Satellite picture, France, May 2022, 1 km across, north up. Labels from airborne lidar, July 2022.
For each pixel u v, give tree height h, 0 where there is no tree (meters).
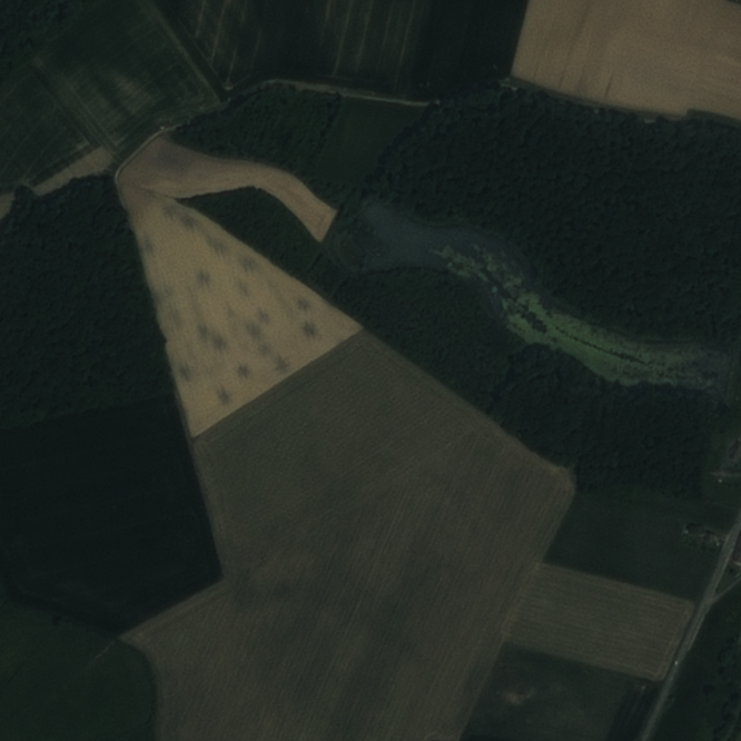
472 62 0
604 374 0
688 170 29
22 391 27
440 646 0
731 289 22
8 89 0
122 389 22
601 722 0
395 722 0
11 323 28
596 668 0
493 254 0
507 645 0
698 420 28
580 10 0
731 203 28
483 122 28
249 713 0
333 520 0
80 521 0
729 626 0
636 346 0
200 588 0
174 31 0
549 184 27
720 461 0
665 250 30
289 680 0
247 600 0
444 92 0
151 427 0
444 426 0
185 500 0
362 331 0
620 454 29
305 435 0
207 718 0
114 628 0
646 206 26
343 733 0
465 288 11
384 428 0
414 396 0
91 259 27
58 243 28
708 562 0
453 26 0
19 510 0
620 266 30
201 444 0
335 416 0
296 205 0
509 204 27
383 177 20
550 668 0
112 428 0
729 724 12
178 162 0
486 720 0
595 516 0
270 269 0
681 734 0
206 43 0
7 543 0
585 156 26
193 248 0
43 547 0
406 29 0
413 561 0
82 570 0
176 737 0
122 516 0
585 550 0
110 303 26
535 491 0
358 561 0
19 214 23
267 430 0
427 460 0
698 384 0
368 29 0
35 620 0
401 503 0
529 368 25
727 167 29
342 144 0
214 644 0
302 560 0
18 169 0
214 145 16
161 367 19
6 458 0
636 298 28
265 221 12
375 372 0
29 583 0
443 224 8
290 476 0
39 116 0
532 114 24
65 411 18
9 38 20
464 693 0
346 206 7
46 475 0
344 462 0
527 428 26
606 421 32
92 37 0
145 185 0
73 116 0
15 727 0
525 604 0
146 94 0
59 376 28
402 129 0
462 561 0
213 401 0
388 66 0
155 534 0
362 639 0
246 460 0
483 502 0
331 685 0
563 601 0
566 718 0
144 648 0
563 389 27
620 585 0
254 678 0
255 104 13
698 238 26
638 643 0
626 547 0
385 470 0
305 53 0
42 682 0
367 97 0
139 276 16
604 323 24
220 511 0
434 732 0
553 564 0
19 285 26
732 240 26
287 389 0
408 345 12
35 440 0
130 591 0
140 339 24
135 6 0
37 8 22
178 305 0
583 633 0
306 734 0
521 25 0
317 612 0
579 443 27
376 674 0
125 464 0
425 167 25
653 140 24
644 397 30
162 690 0
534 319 0
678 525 0
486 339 12
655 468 26
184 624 0
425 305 11
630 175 32
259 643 0
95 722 0
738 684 11
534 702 0
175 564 0
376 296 11
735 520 0
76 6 27
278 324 0
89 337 21
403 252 0
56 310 28
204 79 0
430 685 0
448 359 13
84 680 0
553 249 30
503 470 0
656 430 25
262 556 0
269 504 0
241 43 0
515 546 0
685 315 26
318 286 10
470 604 0
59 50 0
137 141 0
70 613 0
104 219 23
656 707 0
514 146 30
